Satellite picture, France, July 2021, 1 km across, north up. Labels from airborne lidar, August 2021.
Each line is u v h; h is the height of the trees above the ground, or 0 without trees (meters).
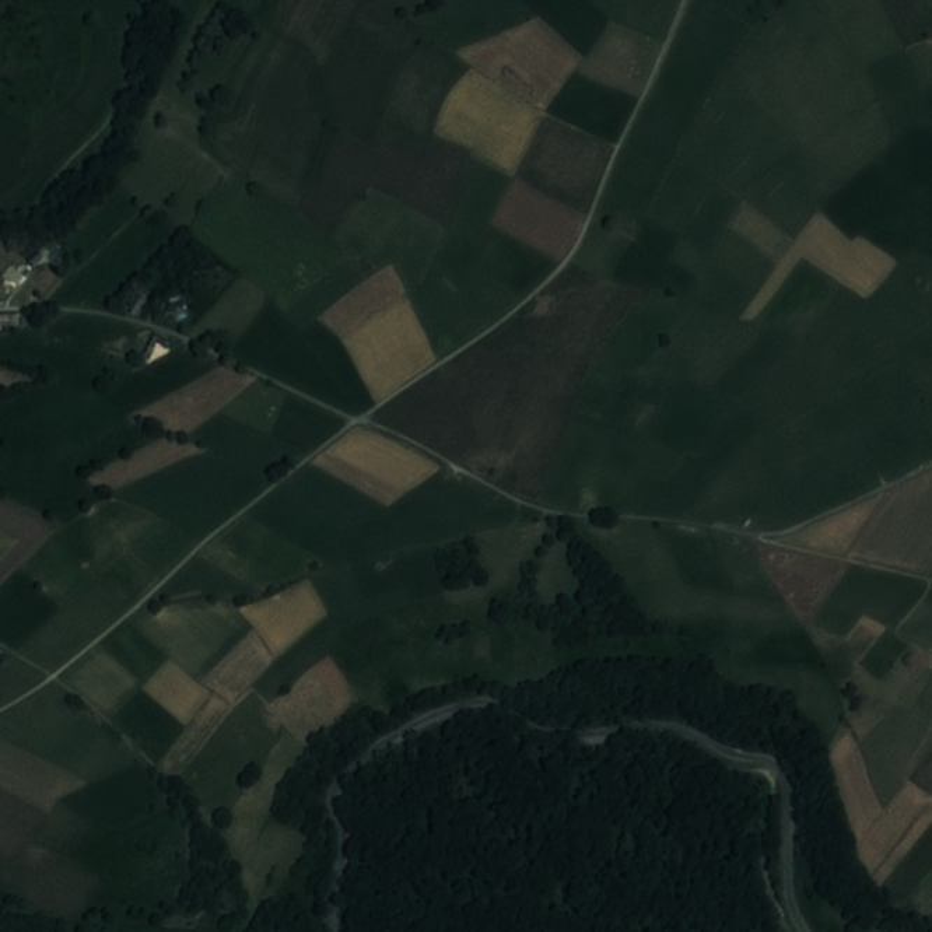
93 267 0
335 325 0
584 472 0
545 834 30
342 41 0
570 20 0
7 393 20
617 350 0
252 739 0
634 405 0
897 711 0
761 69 0
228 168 0
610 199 0
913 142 0
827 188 0
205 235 0
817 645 0
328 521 0
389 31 0
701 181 0
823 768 23
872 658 0
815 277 0
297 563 0
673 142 0
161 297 14
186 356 0
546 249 0
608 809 27
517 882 28
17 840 0
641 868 29
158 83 24
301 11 0
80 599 0
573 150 0
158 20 30
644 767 29
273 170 0
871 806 0
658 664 15
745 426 0
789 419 0
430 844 25
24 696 0
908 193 0
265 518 0
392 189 0
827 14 0
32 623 0
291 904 12
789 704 24
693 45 0
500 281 0
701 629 0
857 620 0
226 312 0
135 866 0
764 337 0
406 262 0
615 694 28
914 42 0
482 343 0
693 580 0
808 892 8
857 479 0
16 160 0
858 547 0
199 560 0
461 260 0
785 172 0
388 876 28
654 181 0
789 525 0
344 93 0
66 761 0
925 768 0
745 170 0
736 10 0
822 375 0
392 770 19
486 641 0
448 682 0
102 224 0
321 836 13
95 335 0
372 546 0
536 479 0
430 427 0
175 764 0
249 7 0
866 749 0
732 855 11
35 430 0
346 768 22
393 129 0
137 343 0
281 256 0
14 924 20
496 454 0
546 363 0
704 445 0
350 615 0
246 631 0
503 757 25
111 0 0
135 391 0
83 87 0
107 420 0
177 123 0
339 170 0
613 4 0
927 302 0
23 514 0
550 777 32
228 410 0
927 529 0
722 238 0
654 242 0
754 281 0
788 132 0
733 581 0
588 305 0
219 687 0
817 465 0
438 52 0
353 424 0
